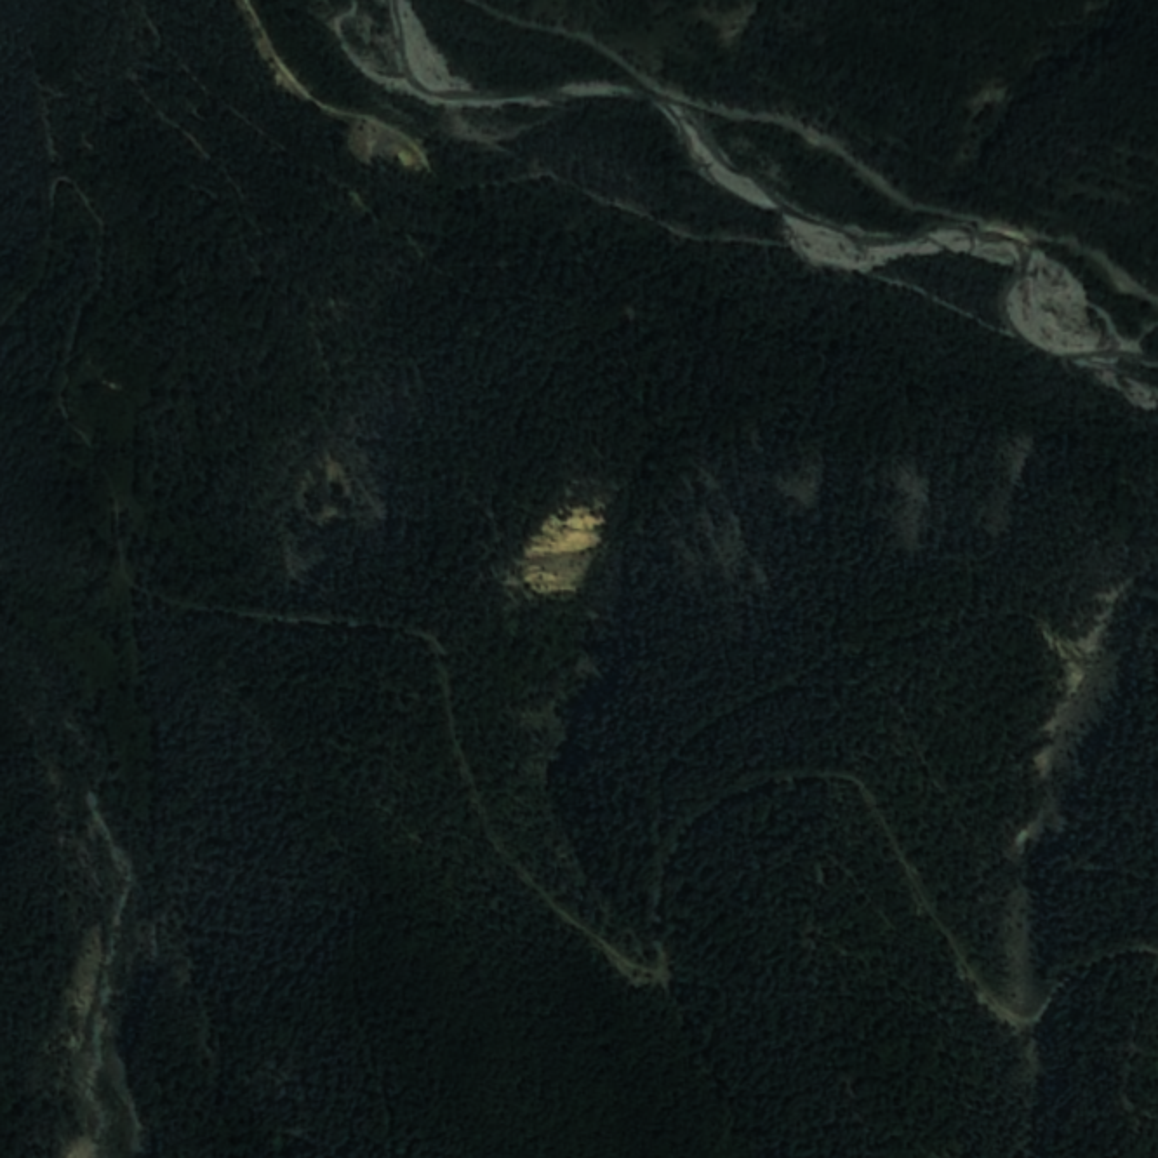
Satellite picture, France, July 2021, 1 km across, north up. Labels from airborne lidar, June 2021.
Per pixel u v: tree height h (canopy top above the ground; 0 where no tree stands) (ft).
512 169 39
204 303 65
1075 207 33
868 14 33
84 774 29
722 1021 38
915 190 23
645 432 36
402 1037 47
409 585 49
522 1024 79
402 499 39
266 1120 46
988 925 39
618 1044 77
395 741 31
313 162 66
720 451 62
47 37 31
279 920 43
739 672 46
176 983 50
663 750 62
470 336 30
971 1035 31
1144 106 48
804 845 34
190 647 33
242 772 42
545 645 43
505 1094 64
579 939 52
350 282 41
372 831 32
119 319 26
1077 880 58
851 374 86
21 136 50
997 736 52
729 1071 51
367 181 56
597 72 29
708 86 50
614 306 84
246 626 54
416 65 0
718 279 31
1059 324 0
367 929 45
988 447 64
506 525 59
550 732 40
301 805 28
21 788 50
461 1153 37
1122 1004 47
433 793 47
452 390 58
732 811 47
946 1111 34
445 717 50
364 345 46
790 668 51
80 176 30
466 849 37
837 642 56
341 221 60
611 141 34
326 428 52
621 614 24
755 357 50
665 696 64
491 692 59
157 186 53
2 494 47
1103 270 0
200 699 41
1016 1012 0
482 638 50
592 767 64
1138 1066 23
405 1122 41
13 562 22
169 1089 59
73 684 38
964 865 32
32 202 35
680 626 44
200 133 65
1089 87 45
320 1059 41
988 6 38
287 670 41
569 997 72
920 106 52
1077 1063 41
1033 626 54
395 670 42
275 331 65
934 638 44
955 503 37
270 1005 59
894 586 62
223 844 43
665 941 59
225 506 67
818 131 22
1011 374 23
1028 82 44
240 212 46
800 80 35
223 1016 47
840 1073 46
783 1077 52
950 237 0
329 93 26
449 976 79
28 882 71
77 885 46
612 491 35
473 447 60
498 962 57
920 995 34
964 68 26
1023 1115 44
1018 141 47
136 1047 48
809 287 45
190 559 20
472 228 38
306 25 34
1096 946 36
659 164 39
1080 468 60
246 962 46
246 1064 51
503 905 26
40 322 20
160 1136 32
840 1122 41
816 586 36
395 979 57
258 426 69
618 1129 65
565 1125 77
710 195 33
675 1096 72
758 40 41
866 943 47
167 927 29
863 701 55
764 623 38
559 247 78
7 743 54
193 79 65
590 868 65
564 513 25
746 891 31
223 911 41
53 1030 39
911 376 59
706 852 34
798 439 70
